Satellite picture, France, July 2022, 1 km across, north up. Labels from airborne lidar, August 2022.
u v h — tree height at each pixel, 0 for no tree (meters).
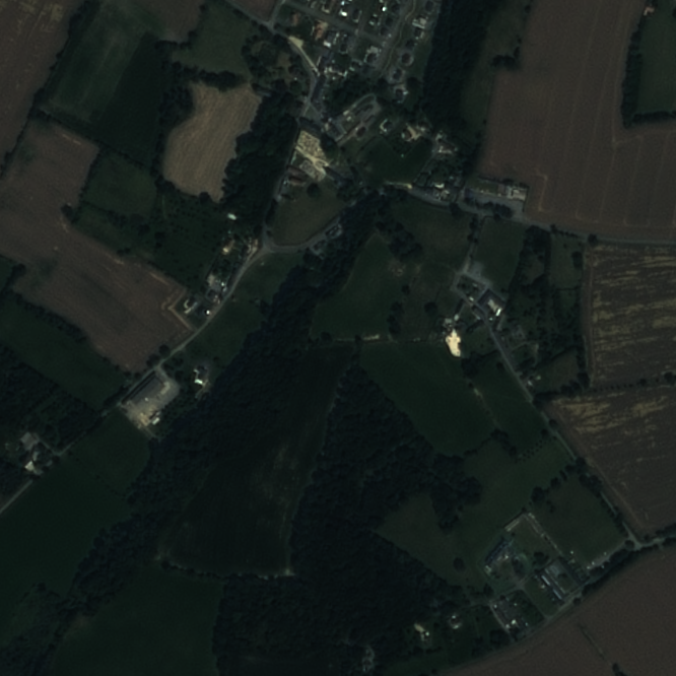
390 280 0
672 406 0
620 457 0
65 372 0
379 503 15
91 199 0
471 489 18
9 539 0
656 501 0
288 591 20
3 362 19
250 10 0
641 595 0
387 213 21
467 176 10
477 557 0
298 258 0
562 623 0
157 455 22
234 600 18
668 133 0
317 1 0
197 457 22
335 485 14
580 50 0
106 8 0
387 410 21
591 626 0
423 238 0
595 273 0
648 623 0
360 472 12
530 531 0
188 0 0
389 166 0
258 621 21
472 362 9
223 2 8
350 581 22
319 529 15
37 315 15
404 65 0
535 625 0
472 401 0
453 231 0
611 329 0
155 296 0
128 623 0
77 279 0
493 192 0
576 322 6
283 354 22
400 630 12
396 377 0
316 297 21
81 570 16
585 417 0
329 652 17
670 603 0
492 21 0
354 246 16
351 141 0
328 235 7
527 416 0
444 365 0
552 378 0
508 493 0
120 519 0
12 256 0
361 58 0
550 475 0
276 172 18
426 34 0
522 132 0
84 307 0
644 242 0
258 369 26
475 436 0
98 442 0
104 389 0
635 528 0
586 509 0
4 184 0
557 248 0
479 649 14
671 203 0
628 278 0
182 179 0
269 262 0
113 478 0
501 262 0
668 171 0
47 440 8
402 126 0
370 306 0
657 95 0
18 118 0
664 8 0
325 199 0
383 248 0
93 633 0
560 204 0
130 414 0
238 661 0
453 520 18
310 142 0
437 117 18
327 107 14
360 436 18
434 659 0
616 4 0
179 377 15
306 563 25
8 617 0
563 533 0
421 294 0
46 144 0
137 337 0
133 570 19
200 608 0
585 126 0
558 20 0
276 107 13
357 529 14
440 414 0
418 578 10
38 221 0
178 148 0
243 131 0
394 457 11
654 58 0
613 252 0
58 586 0
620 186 0
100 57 0
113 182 0
